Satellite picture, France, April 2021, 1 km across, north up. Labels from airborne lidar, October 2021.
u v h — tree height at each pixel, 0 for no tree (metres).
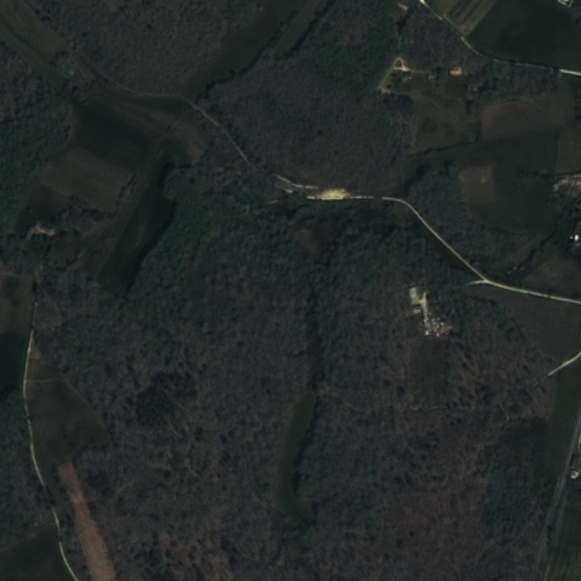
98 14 13
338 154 13
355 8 19
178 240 22
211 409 15
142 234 0
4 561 0
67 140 20
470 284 13
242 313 8
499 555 6
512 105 0
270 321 15
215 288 20
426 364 0
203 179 14
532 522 17
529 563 11
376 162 14
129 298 15
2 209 26
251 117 13
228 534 14
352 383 19
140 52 16
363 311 12
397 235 17
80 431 0
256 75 13
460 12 0
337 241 18
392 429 13
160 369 19
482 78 17
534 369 16
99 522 15
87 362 17
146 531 15
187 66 14
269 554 23
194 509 11
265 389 18
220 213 13
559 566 0
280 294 11
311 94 11
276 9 0
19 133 26
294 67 19
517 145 0
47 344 14
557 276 0
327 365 15
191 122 0
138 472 10
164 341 18
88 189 0
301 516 0
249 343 13
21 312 0
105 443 0
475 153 0
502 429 6
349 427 18
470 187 0
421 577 18
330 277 16
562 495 10
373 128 12
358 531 21
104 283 0
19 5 0
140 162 0
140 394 17
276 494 0
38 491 15
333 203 12
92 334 17
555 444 0
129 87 12
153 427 26
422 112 0
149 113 0
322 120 12
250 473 15
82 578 6
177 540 9
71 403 0
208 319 8
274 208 0
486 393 19
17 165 25
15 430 19
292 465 0
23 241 11
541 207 0
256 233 10
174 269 17
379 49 21
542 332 0
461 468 19
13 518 20
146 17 16
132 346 18
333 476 23
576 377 0
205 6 17
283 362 25
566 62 0
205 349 10
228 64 0
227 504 17
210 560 19
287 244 13
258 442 20
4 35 0
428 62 21
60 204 0
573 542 0
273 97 9
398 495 7
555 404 0
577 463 0
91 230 11
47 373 0
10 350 0
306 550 21
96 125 0
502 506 9
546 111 0
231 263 7
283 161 13
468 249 19
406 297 13
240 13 22
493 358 17
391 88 8
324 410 12
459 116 0
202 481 9
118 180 0
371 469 15
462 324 22
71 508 0
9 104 18
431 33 20
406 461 24
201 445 19
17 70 12
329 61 26
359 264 17
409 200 20
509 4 0
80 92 14
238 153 15
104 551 0
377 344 21
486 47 0
